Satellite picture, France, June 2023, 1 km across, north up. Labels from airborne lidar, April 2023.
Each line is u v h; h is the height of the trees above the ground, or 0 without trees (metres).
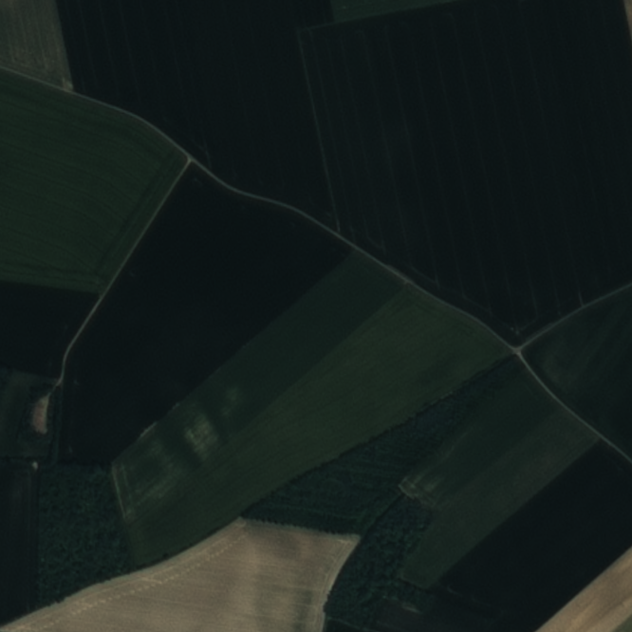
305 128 0
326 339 0
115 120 0
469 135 0
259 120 0
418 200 0
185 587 0
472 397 11
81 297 0
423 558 0
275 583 0
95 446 0
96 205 0
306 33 0
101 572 14
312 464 0
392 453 11
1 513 0
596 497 0
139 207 0
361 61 0
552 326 0
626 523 0
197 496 0
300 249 0
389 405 0
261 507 10
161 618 0
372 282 0
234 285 0
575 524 0
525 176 0
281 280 0
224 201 0
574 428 0
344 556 0
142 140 0
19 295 0
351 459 10
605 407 0
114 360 0
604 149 0
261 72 0
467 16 0
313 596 0
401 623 0
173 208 0
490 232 0
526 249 0
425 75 0
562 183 0
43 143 0
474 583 0
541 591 0
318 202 0
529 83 0
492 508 0
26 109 0
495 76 0
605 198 0
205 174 0
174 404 0
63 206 0
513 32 0
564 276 0
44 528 11
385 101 0
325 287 0
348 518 6
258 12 0
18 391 0
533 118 0
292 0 0
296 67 0
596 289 0
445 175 0
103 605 0
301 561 0
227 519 0
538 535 0
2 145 0
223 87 0
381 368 0
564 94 0
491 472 0
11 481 0
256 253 0
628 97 0
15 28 0
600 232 0
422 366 0
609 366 0
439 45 0
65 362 0
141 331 0
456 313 0
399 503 9
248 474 0
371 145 0
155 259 0
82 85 0
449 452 0
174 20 0
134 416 0
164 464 0
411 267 0
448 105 0
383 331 0
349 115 0
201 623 0
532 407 0
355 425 0
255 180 0
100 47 0
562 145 0
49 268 0
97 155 0
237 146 0
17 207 0
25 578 0
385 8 0
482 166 0
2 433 0
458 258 0
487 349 0
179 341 0
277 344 0
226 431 0
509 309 0
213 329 0
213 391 0
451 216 0
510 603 0
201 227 0
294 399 0
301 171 0
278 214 0
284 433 0
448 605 0
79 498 10
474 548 0
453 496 0
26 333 0
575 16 0
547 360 0
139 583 0
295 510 8
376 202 0
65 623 0
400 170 0
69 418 0
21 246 0
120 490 0
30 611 0
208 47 0
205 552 0
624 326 0
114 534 17
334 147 0
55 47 0
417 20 0
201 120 0
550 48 0
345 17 0
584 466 0
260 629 0
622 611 0
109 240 0
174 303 0
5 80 0
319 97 0
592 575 0
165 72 0
